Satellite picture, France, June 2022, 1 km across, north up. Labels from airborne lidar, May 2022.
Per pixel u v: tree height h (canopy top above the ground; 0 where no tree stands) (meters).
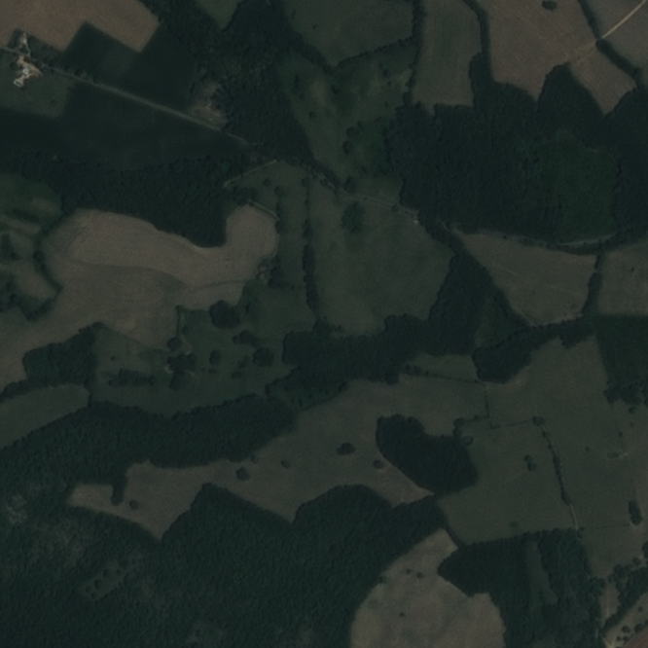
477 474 17
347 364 22
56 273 0
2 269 0
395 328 15
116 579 0
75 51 0
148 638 7
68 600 9
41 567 9
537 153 13
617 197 15
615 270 0
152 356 0
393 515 16
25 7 0
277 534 9
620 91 0
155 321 0
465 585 11
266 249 0
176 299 0
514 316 18
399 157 25
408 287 0
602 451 0
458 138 15
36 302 0
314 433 0
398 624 0
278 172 0
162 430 18
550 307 0
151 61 0
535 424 7
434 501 13
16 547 7
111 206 17
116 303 0
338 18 0
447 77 0
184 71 0
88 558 8
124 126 0
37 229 0
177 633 8
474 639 0
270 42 19
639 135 12
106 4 0
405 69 0
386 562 12
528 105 17
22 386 16
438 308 17
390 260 0
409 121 24
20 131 0
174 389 18
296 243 0
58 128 0
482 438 0
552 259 0
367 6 0
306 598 10
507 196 11
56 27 0
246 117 18
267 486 0
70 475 7
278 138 15
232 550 10
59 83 0
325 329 14
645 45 0
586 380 0
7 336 0
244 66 16
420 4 17
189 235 17
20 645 18
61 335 0
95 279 0
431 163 19
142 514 0
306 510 15
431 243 0
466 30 0
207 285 0
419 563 0
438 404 0
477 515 0
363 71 0
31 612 8
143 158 0
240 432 14
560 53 0
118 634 11
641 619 0
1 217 0
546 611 18
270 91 20
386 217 0
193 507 11
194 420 20
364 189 0
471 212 17
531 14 0
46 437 12
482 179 13
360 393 0
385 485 0
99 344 0
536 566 0
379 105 0
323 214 0
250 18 21
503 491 0
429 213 15
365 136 0
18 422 0
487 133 11
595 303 13
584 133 16
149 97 0
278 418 15
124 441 11
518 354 16
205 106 0
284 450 0
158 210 16
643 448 0
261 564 9
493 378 18
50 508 9
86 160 0
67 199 22
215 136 0
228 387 0
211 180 20
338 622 10
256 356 13
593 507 0
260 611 11
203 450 15
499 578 11
